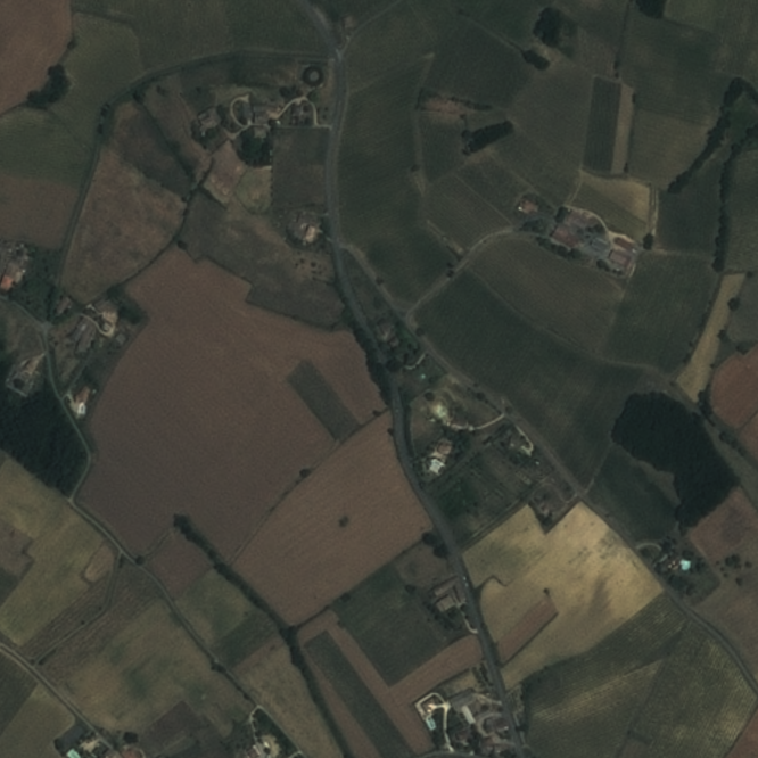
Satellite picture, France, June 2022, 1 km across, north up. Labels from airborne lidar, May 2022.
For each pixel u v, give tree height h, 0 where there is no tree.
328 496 0
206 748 0
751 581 0
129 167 0
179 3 0
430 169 0
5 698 0
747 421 0
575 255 12
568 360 0
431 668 0
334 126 0
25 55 0
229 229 0
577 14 0
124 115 0
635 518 0
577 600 0
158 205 0
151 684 0
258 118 0
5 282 0
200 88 8
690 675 0
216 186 0
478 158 0
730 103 12
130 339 0
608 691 0
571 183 0
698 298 0
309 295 0
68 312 17
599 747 0
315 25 0
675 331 0
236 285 0
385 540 0
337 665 0
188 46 0
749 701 0
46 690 0
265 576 0
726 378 0
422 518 0
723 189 9
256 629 0
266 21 0
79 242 0
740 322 0
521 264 0
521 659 0
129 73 0
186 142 0
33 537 0
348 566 0
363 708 0
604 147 0
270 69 0
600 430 0
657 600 0
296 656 15
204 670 0
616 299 0
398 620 0
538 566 0
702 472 17
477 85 0
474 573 0
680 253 0
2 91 0
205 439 0
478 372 0
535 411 0
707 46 0
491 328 0
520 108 0
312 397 0
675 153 0
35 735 0
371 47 0
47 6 0
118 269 0
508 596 0
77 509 0
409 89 0
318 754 0
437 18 0
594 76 0
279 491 0
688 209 0
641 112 0
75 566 0
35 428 23
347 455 0
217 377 0
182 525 13
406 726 0
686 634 0
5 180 0
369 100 0
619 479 0
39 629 0
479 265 0
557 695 0
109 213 0
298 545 0
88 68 0
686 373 0
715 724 0
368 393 0
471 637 0
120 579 0
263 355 0
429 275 0
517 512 0
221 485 0
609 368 0
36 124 0
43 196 0
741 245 0
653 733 0
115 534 0
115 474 0
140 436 0
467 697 0
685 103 0
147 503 0
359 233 0
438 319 0
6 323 0
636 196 0
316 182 0
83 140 0
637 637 0
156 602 0
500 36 0
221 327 0
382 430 0
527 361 0
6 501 0
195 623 0
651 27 0
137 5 0
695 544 0
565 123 0
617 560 0
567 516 0
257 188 0
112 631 0
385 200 0
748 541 0
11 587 0
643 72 0
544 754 0
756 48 0
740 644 0
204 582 0
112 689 0
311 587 0
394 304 0
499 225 0
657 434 19
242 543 0
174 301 0
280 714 0
